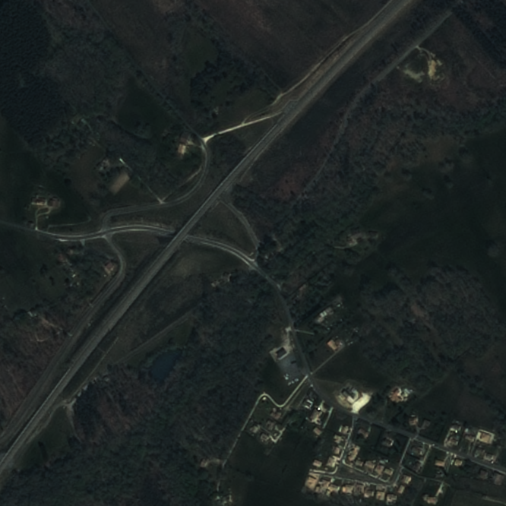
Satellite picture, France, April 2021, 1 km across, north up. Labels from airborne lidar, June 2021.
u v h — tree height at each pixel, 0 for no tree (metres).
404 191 0
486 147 0
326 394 0
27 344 15
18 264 0
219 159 0
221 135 9
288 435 0
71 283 13
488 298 17
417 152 10
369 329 0
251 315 20
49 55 19
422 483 0
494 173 0
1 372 18
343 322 7
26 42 20
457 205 0
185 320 0
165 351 7
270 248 11
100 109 16
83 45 23
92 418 19
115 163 24
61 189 0
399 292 21
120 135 18
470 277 14
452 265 0
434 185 0
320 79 0
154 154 26
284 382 0
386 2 0
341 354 0
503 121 21
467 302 18
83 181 0
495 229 0
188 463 18
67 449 0
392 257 0
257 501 0
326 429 0
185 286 0
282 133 0
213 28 14
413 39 10
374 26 0
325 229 15
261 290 9
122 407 11
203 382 25
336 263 18
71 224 0
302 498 0
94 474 25
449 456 0
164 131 0
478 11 14
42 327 10
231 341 22
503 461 6
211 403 19
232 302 17
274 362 0
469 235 0
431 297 22
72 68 22
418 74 0
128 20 0
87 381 0
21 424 0
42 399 0
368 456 0
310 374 0
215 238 0
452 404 0
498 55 15
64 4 6
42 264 0
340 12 0
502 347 0
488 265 0
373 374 0
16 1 18
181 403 22
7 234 0
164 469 21
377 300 20
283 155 0
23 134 19
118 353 0
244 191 10
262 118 0
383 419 0
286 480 0
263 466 0
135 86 0
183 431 19
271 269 20
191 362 17
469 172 0
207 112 13
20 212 0
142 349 0
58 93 19
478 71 0
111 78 20
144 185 16
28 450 0
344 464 0
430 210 0
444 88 0
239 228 0
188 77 11
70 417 0
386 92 9
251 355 20
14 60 19
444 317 13
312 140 0
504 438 16
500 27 11
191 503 21
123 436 23
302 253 21
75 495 17
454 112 20
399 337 12
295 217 15
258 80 17
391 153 12
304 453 0
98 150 0
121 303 0
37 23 21
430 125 14
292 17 0
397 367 17
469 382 15
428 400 0
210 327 21
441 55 0
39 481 25
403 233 0
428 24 18
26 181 0
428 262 0
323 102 0
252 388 16
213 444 15
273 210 13
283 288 10
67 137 18
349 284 0
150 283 0
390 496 0
